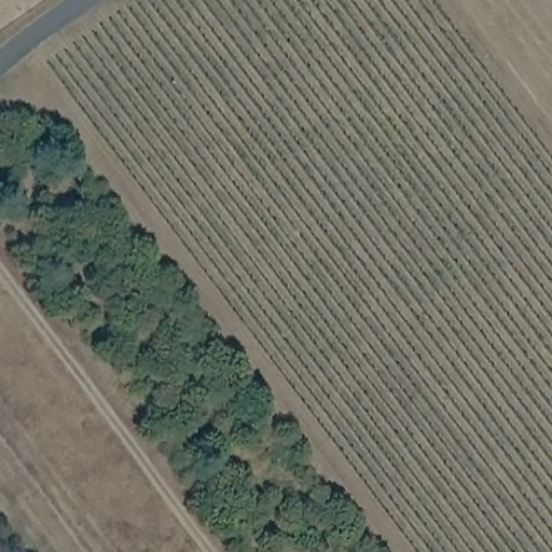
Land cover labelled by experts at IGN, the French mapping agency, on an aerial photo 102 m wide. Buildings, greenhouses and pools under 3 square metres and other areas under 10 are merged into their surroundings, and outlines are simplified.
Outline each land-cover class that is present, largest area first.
<instances>
[{"label":"vineyard","instance_id":"1","mask_svg":"<svg viewBox=\"0 0 552 552\"><path fill-rule=\"evenodd\" d=\"M15 82V93L19 95L17 101H26L35 108L54 110L71 123L82 138L84 157L91 168L95 175L106 177L110 190H114L121 196V205L134 222L132 235L144 237L151 244L157 242L160 252L164 254L160 259L162 265L173 267L179 263V267L190 276L188 280H183V289H192L196 285L201 306L218 321L220 334L226 336L222 345L235 351L246 349L250 364L257 369L254 382L259 386L270 384L272 388V403L276 412L272 423H300L302 433L308 438L311 466L317 470V474H321L319 485L328 487L332 494H339L341 500L354 498L364 511L369 530L382 535L390 552H552V151L537 134V127H533V121L507 93L502 82L492 73V69H487L485 60L457 28L455 19L449 15L440 0H108L91 9L75 22L67 24L60 32L45 39L6 73Z\"/></svg>","mask_w":552,"mask_h":552},{"label":"deciduous trees","instance_id":"2","mask_svg":"<svg viewBox=\"0 0 552 552\"><path fill-rule=\"evenodd\" d=\"M84 157L82 138L71 123L56 125L50 119L30 116L24 110L0 114V218H26L30 224V233H22L13 224L4 226L6 257L9 259H13L19 265L32 267V272L24 274L22 282L30 300L37 302L43 315L47 317L52 321L67 319L69 326L80 323L82 341L88 345L97 328L104 326L110 330L108 341L95 345L93 351L104 362H108L116 373L132 371V382H127L129 395H138L142 399L151 395L157 403L155 408H149L147 418L136 425V433L144 438L153 440L157 451L166 455L175 477L179 481L175 485V492L183 498L185 509L198 520L203 528L209 530V535H213L224 546V552H390L382 535L369 530L364 511L354 498L341 500L339 494H332L328 487L319 485L321 474H317V470L311 466L308 438L302 433L300 423H272L276 412L272 403V388L270 384L259 386L254 382L257 369L250 364L246 349L235 351L222 345L226 336L220 334L218 321L201 306L196 285L192 289H183V280H188L190 276L179 267V263L173 267L162 265L160 259L164 254L160 252L157 242L151 244L144 237L132 235L134 222L121 205V196L114 190H110L106 177L95 175L91 168L71 185L73 192H80V201L75 205L54 207L56 194L47 188L39 194V209L30 211L32 188L22 185L26 173L32 170L35 185H50L54 181L65 179ZM231 444L248 446L261 457V461H270L272 466H282L291 470L300 479V487L291 489L285 483L276 481L261 483L252 477L250 464L231 453ZM0 552H37L22 546V537L13 533V526L9 524L6 515L0 511Z\"/></svg>","mask_w":552,"mask_h":552},{"label":"agricultural land","instance_id":"3","mask_svg":"<svg viewBox=\"0 0 552 552\"><path fill-rule=\"evenodd\" d=\"M65 0H0V50ZM449 15L455 19L457 28L485 60L487 69H492V73L502 82L507 93L533 121V127H537V134L552 151V0H440ZM0 511L6 515L9 524L13 526V533L22 537V546L37 552H198L194 539L168 511L160 494L153 489L151 481L144 477L140 466L116 438V433L106 425L95 405L84 395V390L63 367L58 356L45 345L43 336L26 319L17 302L0 285Z\"/></svg>","mask_w":552,"mask_h":552},{"label":"herbaceous vegetation","instance_id":"4","mask_svg":"<svg viewBox=\"0 0 552 552\"><path fill-rule=\"evenodd\" d=\"M19 95L15 93V82L6 73L0 78V114L24 110L30 116L50 119L56 125L71 123L54 110L35 108L26 101H17ZM91 168L84 157L65 179L54 181L50 185H35L32 170L26 173L22 185L32 188L30 211L39 209V194L47 188L56 194L54 207L75 205L80 201V192H73L71 185ZM13 224L22 233H30V224L26 218H0V257H6L4 226ZM6 263L11 274L22 282L24 274L32 272V267L19 265L13 259H9ZM54 332L65 341L69 351L86 369L97 390L112 405L116 416L129 427L136 425L147 418L149 408H155L157 403L151 395L142 399L138 395H129L127 382H132V371L116 373L108 362H104L93 351L95 345L108 341L110 330L104 326L97 328L88 345L82 341L80 323L69 326L67 319L52 321L47 317ZM144 451L155 464V468L168 481L175 477L166 455L157 451L153 440L144 438ZM231 453L250 464L252 477L261 483L276 481L285 483L291 489L300 487V479L291 470L282 466H272L270 461H261V457L248 446L231 444Z\"/></svg>","mask_w":552,"mask_h":552},{"label":"pervious surface","instance_id":"5","mask_svg":"<svg viewBox=\"0 0 552 552\"><path fill-rule=\"evenodd\" d=\"M9 259L6 257H0V285L17 302L26 319L43 336L45 345L58 356L63 367L84 390V395L95 405L106 425L116 433V438L140 466L144 477L151 481L153 489L160 494L168 511L194 539L198 552H224V546L213 535H209V530L203 528L198 520L185 509L183 498L175 492V485L179 481L175 477L168 481L155 468V464L144 451V438L136 433V425L129 427L116 416L112 405L97 390L86 369L69 351L65 341L54 332L47 317L43 315L37 302L30 300L22 282L11 274L6 263Z\"/></svg>","mask_w":552,"mask_h":552},{"label":"impervious surface","instance_id":"6","mask_svg":"<svg viewBox=\"0 0 552 552\"><path fill-rule=\"evenodd\" d=\"M108 0H65L0 50V78L6 73L45 39L60 32L67 24L75 22L91 9Z\"/></svg>","mask_w":552,"mask_h":552}]
</instances>
